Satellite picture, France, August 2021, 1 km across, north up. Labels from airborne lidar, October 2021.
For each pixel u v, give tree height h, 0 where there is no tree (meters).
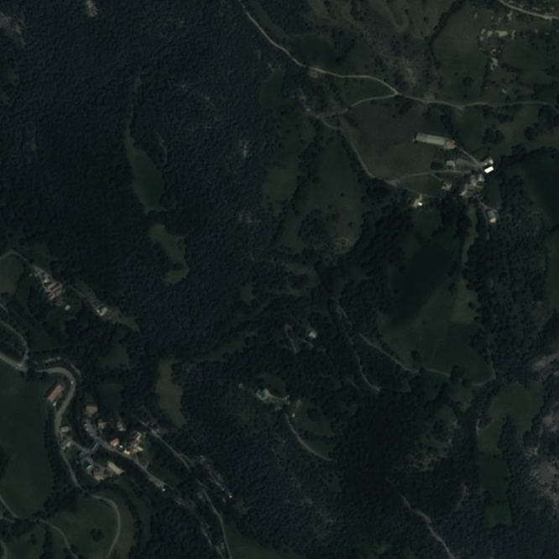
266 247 9
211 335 17
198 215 7
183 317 13
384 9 0
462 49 0
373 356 11
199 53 9
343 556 17
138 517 8
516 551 14
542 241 9
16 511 0
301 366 17
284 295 8
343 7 0
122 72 13
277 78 0
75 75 16
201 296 17
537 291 13
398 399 21
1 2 9
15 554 0
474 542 12
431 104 7
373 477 27
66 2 15
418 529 11
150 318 12
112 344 16
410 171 0
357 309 10
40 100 13
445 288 0
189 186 13
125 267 19
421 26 0
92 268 15
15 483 0
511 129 0
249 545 0
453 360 0
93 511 0
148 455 0
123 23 16
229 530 0
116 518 0
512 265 13
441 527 14
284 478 9
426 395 15
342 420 12
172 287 9
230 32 9
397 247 15
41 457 0
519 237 7
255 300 8
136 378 15
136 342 20
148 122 14
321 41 0
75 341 8
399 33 0
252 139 8
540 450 6
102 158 14
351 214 0
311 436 12
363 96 0
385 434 28
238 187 13
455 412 10
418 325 0
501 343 13
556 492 7
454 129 9
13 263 0
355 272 0
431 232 0
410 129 0
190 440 11
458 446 14
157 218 16
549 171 0
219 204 13
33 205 20
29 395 0
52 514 6
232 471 10
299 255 10
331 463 9
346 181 0
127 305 13
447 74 0
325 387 14
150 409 11
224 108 11
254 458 18
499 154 0
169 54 9
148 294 19
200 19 12
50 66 17
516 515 14
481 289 17
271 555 0
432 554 13
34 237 19
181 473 17
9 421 0
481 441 0
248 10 10
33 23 16
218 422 13
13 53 8
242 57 11
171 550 24
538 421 11
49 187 20
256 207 7
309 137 0
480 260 19
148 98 16
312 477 15
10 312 8
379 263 17
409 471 10
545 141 0
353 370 16
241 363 21
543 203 0
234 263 11
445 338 0
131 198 13
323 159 0
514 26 0
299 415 0
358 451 23
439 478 21
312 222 9
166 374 0
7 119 15
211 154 13
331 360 11
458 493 20
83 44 18
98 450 8
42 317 15
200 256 19
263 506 24
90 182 19
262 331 7
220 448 13
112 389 0
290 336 14
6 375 0
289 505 7
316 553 11
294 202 11
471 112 0
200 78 12
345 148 14
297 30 10
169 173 10
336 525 13
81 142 16
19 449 0
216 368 12
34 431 0
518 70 6
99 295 15
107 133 17
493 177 19
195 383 10
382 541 15
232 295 15
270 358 17
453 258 0
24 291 0
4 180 11
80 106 16
